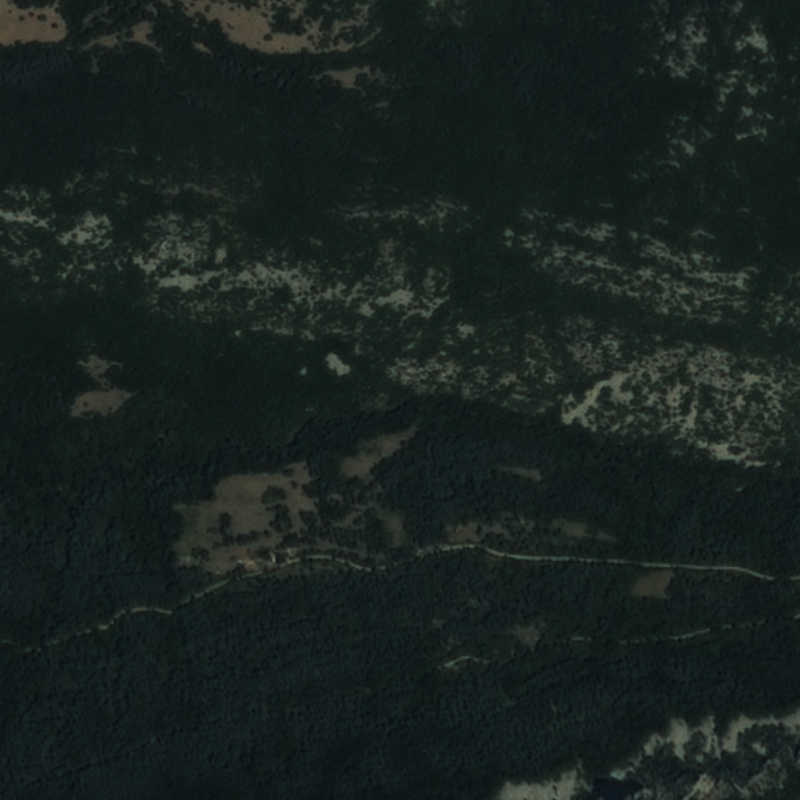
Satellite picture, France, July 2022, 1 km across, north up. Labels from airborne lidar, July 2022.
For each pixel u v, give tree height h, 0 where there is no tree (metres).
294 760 19
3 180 6
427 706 6
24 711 16
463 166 7
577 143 7
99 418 7
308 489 9
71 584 16
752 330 6
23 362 9
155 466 10
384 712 12
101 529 8
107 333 11
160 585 17
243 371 14
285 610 8
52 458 8
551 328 6
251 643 16
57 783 17
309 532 7
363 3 6
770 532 12
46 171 9
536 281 9
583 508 11
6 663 12
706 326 6
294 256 7
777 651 8
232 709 14
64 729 9
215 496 11
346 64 10
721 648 6
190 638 15
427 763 19
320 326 6
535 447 11
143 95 9
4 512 7
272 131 8
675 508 8
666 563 9
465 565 12
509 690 11
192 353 12
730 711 14
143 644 7
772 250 6
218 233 8
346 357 11
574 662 16
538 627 8
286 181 9
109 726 13
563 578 16
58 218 6
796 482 13
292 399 15
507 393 7
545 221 6
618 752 9
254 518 0
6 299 6
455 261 9
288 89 13
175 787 17
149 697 8
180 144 6
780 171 9
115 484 8
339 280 7
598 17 7
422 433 8
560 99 8
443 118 7
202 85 9
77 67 10
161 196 6
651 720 13
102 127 6
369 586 17
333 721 15
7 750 17
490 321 6
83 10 14
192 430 13
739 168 6
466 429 11
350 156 6
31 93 11
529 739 15
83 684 12
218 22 6
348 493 8
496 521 10
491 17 9
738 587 9
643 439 9
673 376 7
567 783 0
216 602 9
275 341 7
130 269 6
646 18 5
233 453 6
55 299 7
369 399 7
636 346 6
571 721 13
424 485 9
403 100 8
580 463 10
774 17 8
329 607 17
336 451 12
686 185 6
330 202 6
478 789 12
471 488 11
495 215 6
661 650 14
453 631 13
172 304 5
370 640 13
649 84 6
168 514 7
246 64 12
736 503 10
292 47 0
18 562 10
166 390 9
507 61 15
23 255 6
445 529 10
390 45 11
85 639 12
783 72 6
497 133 8
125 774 17
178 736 16
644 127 6
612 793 8
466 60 14
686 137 6
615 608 8
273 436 9
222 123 8
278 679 16
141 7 12
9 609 10
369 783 9
